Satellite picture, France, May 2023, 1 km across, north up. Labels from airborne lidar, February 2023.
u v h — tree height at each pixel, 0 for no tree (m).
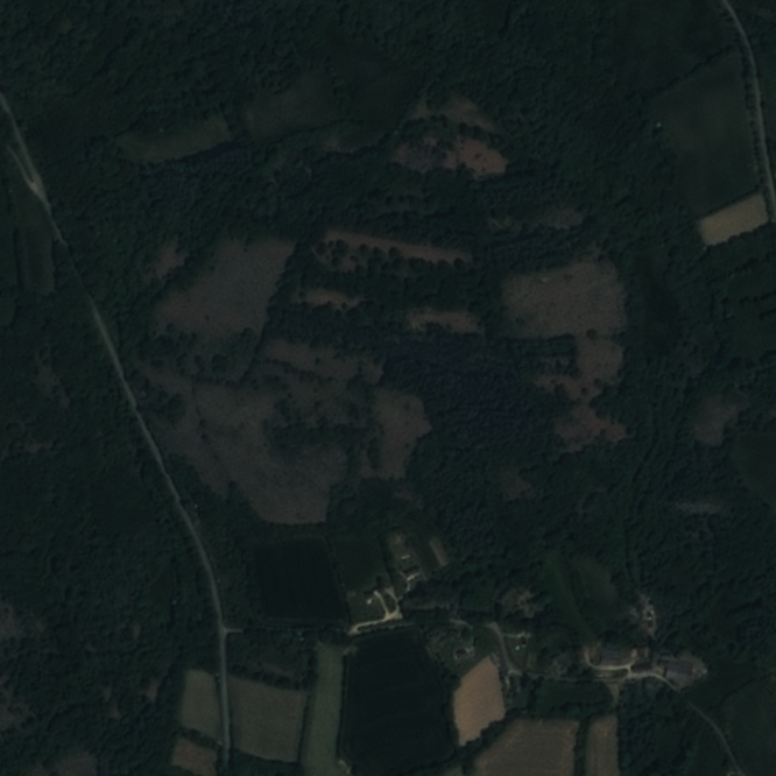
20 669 8
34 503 18
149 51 13
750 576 18
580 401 7
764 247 0
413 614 13
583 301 0
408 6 7
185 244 9
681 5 0
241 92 13
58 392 10
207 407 0
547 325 0
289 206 14
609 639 17
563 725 0
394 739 0
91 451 19
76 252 18
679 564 17
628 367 11
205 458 0
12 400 14
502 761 0
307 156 9
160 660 11
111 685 6
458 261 10
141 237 22
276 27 14
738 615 14
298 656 6
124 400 8
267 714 0
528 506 11
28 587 20
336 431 6
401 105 0
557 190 29
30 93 9
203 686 0
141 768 15
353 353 8
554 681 7
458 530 25
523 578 19
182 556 6
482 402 25
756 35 15
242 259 0
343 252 12
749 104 12
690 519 14
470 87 12
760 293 0
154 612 14
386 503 17
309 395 0
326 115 0
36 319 20
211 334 0
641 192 10
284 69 7
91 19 14
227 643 7
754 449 0
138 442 17
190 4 6
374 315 10
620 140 7
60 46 10
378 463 7
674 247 13
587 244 14
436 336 11
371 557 0
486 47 10
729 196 0
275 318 8
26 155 0
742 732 0
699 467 13
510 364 11
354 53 0
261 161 13
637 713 11
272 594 0
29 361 16
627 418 15
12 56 10
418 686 0
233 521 15
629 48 0
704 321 11
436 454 7
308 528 11
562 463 17
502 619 8
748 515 9
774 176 7
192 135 0
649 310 0
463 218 15
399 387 6
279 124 0
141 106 8
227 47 16
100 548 13
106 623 11
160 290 13
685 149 0
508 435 28
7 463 12
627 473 16
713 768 0
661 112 0
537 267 7
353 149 0
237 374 0
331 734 0
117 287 8
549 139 10
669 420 9
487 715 0
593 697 0
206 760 0
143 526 8
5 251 0
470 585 22
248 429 0
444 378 27
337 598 0
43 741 17
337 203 20
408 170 12
